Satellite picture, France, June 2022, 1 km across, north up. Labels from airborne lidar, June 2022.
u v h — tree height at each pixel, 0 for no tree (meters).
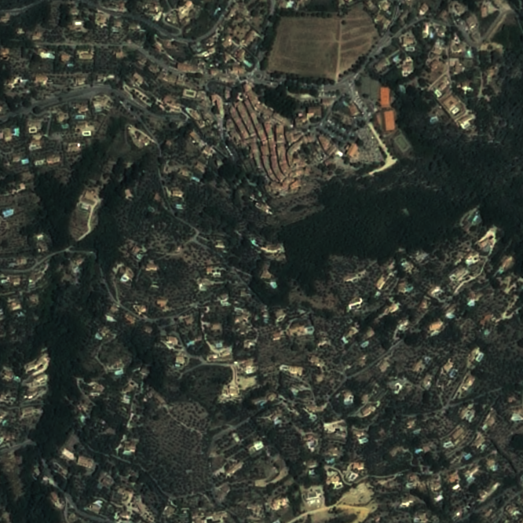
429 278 7
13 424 5
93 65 6
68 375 10
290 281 10
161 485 7
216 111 14
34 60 16
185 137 13
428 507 9
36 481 10
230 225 8
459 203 12
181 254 0
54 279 10
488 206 22
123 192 14
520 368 11
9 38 16
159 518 7
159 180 9
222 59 15
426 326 14
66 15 12
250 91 0
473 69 6
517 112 23
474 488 15
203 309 7
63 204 16
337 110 8
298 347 14
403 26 6
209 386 7
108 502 7
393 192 13
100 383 8
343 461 14
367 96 10
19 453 15
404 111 9
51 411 20
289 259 14
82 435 17
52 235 14
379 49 0
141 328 8
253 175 10
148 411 10
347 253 15
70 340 20
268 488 7
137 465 6
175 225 6
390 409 12
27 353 9
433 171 21
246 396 6
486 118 8
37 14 20
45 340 18
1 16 9
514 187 14
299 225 14
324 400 6
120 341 6
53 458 10
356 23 0
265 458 5
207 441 6
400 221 14
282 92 11
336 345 6
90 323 7
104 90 0
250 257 8
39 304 6
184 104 8
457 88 8
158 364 15
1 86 22
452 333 11
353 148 0
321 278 12
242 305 8
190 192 6
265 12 10
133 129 0
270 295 13
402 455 7
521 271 9
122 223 6
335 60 0
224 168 19
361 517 0
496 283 16
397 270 11
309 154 10
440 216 13
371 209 15
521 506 12
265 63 13
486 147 10
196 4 10
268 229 12
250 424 8
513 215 12
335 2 7
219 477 7
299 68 0
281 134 0
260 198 6
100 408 9
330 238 14
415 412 6
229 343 6
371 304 14
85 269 12
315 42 0
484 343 8
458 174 9
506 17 0
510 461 13
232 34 8
